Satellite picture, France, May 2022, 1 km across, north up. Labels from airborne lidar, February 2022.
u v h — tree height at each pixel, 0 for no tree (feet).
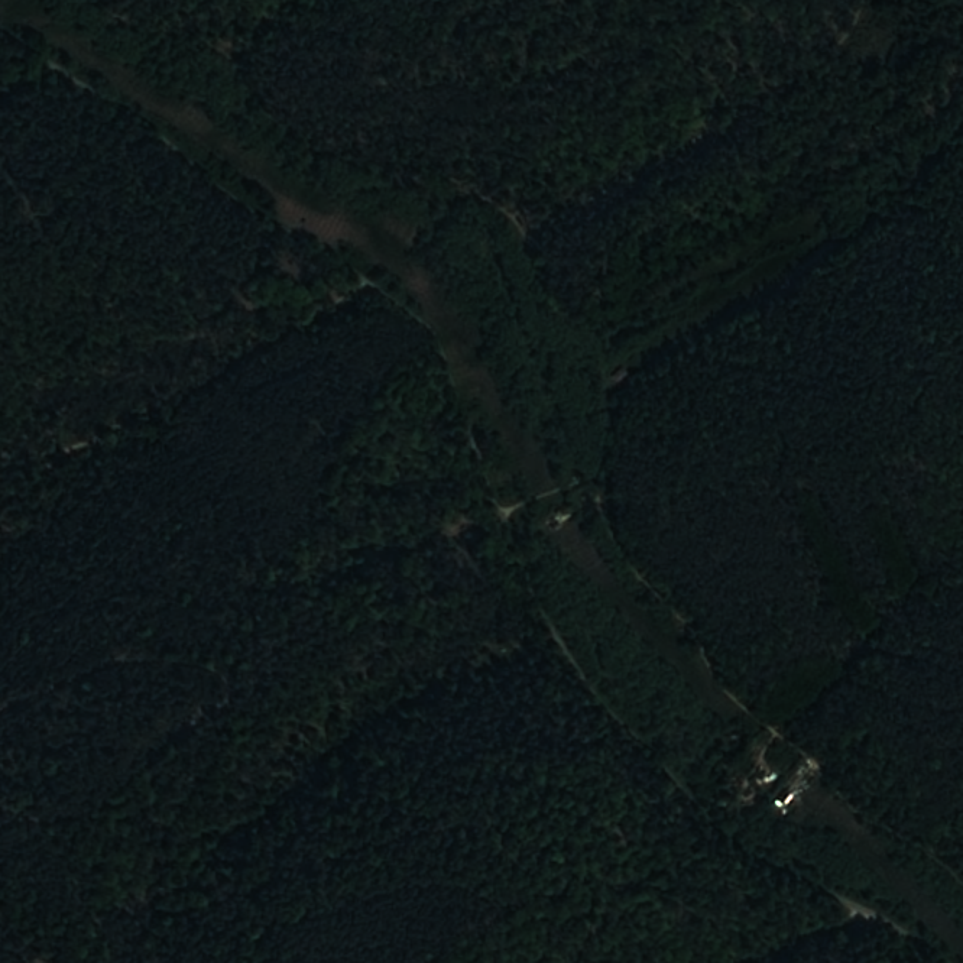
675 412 85
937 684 68
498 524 92
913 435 78
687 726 68
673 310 21
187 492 41
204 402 84
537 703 104
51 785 78
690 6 99
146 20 106
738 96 110
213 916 97
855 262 97
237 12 107
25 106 115
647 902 76
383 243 0
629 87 78
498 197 93
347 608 90
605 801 101
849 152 111
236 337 34
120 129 97
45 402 31
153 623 31
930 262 76
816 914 37
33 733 39
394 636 77
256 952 79
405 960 72
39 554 37
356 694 27
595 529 74
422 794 111
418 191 105
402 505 109
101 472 30
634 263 85
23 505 86
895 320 97
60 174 94
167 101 0
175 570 105
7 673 36
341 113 44
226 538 43
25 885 75
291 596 110
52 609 30
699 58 100
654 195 98
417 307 56
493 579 68
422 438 101
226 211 102
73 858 75
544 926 79
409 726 113
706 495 69
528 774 104
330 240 0
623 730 39
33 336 78
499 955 79
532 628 97
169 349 36
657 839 122
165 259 93
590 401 71
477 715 121
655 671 66
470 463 103
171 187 103
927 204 99
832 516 75
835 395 92
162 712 82
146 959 83
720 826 66
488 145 32
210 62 80
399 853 85
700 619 78
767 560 66
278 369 69
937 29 80
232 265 113
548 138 100
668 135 85
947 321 84
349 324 73
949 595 66
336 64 87
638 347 64
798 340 94
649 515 82
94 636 82
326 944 76
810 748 83
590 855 106
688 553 81
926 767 54
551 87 100
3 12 0
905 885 0
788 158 101
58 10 61
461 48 101
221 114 73
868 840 0
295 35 106
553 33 99
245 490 62
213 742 90
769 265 0
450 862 95
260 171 0
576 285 89
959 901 81
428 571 113
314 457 71
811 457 67
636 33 104
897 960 104
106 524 41
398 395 84
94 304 78
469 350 0
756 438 84
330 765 46
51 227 96
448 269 42
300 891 95
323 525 107
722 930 94
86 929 81
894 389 91
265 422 82
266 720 76
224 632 26
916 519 64
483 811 95
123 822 96
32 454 114
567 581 61
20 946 89
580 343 78
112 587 32
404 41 83
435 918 78
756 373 98
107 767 85
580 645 72
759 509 63
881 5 102
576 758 85
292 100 89
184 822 98
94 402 37
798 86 77
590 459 94
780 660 62
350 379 86
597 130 79
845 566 68
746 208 104
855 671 81
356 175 85
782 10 107
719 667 87
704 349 93
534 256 93
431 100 84
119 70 0
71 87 108
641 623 0
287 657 90
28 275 91
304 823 131
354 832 102
